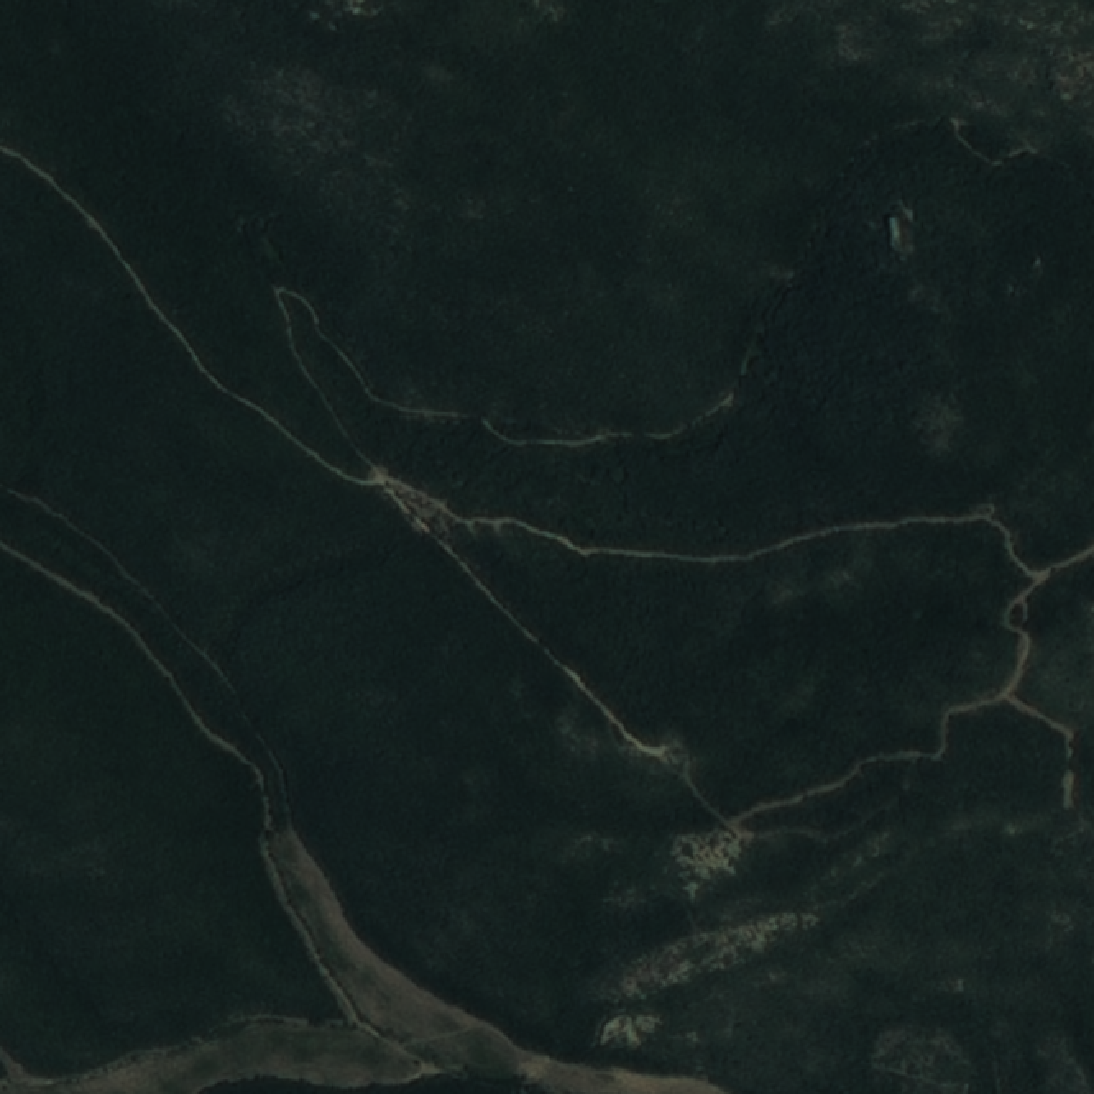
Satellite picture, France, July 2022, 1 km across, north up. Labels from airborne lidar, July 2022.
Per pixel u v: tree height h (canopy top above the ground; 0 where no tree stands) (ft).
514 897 20
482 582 23
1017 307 21
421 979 24
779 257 27
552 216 26
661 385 20
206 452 22
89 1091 0
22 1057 18
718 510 34
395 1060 0
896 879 21
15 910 29
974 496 17
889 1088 22
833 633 22
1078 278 24
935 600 29
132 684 30
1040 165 32
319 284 31
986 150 17
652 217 20
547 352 20
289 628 22
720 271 21
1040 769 19
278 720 23
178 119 27
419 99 22
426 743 20
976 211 23
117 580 26
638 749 0
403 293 19
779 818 22
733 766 21
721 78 30
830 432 23
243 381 20
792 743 22
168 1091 0
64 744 18
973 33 23
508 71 24
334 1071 0
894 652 22
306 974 18
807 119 28
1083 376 22
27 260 21
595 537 33
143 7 19
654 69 36
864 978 19
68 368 21
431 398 25
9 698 20
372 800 18
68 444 22
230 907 28
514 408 20
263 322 20
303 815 24
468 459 22
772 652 21
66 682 26
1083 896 19
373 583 20
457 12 19
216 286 22
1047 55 30
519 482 21
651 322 29
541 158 22
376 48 19
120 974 21
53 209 21
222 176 26
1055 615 28
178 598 23
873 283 23
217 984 21
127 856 17
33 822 21
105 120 36
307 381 23
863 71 20
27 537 31
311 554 22
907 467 19
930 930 22
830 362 27
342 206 20
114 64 36
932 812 20
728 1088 20
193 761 29
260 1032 0
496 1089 26
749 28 29
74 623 21
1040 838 18
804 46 21
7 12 33
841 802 18
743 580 18
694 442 27
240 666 21
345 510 24
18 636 31
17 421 33
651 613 22
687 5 27
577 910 18
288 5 20
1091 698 0
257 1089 33
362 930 21
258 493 22
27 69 34
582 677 20
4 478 24
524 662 25
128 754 28
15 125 27
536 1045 25
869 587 21
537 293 25
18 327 25
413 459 24
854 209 29
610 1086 0
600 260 22
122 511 25
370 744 24
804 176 21
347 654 21
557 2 20
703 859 0
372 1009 0
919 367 19
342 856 22
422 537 26
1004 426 19
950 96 22
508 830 17
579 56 32
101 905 21
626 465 31
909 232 19
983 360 20
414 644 23
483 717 20
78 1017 25
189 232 23
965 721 20
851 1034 21
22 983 20
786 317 21
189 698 22
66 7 35
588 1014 24
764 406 40
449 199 19
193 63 21
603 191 21
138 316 19
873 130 20
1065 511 21
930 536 19
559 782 18
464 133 22
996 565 25
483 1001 21
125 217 25
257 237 32
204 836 29
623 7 23
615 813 21
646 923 22
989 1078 22
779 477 26
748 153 27
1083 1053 25
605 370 25
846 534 21
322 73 17
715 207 26
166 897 21
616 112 34
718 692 23
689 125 28
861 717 20
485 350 27
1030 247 28
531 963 20
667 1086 0
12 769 20
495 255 22
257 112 20
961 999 23
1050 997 24
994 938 20
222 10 22
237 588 27
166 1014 21
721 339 28
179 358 20
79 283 18
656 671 23
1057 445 22
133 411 21
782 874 20
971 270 24
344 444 23
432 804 19
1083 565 24
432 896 21
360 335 22
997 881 24
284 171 20
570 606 24
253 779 27
